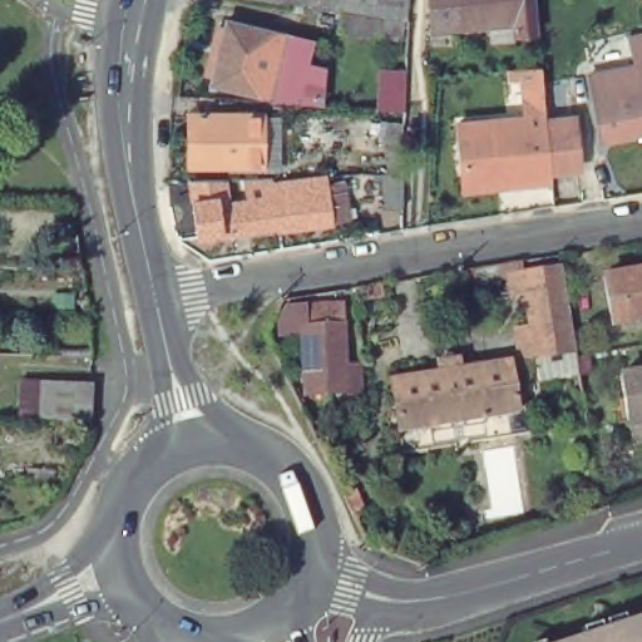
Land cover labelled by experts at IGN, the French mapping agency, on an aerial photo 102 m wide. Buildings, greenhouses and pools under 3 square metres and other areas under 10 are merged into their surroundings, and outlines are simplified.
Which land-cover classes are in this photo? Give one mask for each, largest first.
<instances>
[{"label":"impervious surface","instance_id":"1","mask_svg":"<svg viewBox=\"0 0 642 642\"><path fill-rule=\"evenodd\" d=\"M18 5L30 8L43 18L46 105L55 138L63 145L70 171V181L68 186L58 188V198H70L75 203V213L80 218L88 216L90 223L78 236L65 241L63 253L68 261H90L93 266L95 296L103 301V359L100 364L90 366L93 384V409L78 411L75 419L93 431V451L78 469L75 484L65 499L63 504L53 507L35 527L15 534L0 532V557H3L10 552L33 549L55 537L78 509L88 484L95 482L98 494L93 514L80 539L73 544L68 554L50 557L48 564L40 567V574L30 584L33 589L0 594V642H38L50 634L70 632L75 624L83 627V634L90 642H439L502 624L507 619L537 609L552 607L567 597H579L592 589L607 587L614 582L642 577V498L629 500L632 504L624 507L594 509L587 519L577 524L559 529L552 527L549 532L512 542L494 552H479L466 562L451 564L439 572H429V567L421 559L399 554L391 547H384V552H371L359 539L349 542L341 534L331 489L324 474L306 466L303 451L288 436L233 411L223 399L226 386L218 379H206L198 371V366L191 359V341L196 336H213L221 341L228 336V329L218 318L221 306L243 301V318L256 313L261 301L268 296L281 301L283 293L293 303L344 301L349 361H359L356 351L364 349L361 336L354 339L351 308V288L376 286L382 278H399L401 283L396 291L406 296V308L399 316L396 326L399 341L381 351V359L391 364L404 356H421L429 369H436V364L434 359L424 356L429 351V339L421 331V318L416 308L419 293L414 278L454 268L474 271L499 263H522L524 268H534L559 263L554 248L569 246L582 253H589L597 246H619L632 238H642V203H629V208H617V213H609L599 211V203H592V198L584 191L577 196L579 201L574 203L579 213L552 216L544 203L554 198L552 188L507 191L499 196V213H519L522 223H507L479 231L451 228L399 243H379L376 256H366L364 246H359L356 251L336 246V251H326V258H273L266 263H241L233 268L221 266L218 258L201 256L198 251L188 248L186 256H176L166 243L155 206L150 153V98L163 18L171 10L183 15L193 0H15ZM78 70L88 73L90 98H80L88 113V148H83L73 118V105L78 100L68 93V80ZM130 404H138L140 411L130 421L125 441L128 451H113L110 441ZM211 476L236 479L246 484L251 492H258L263 497L273 514L271 522H263L256 529L286 552L288 572L293 577L271 597H238L228 602L193 599L178 592L166 579L153 549V527L166 502L171 499L176 489H181L191 482ZM429 0H416L411 95L421 105V113H429L426 80L424 53ZM632 48L627 35L589 43L584 48V60L577 65L579 73H592L594 68L599 73H612L634 68V60L629 58ZM313 65L326 70V103H337L339 63L334 58L313 53ZM522 85L512 83L509 88L504 118H522ZM424 171H416L414 193L411 186L404 183L401 213L389 211L381 218V233L429 226L424 208ZM366 193V176H356L354 183V198H349V206L354 208V221L366 213L364 206H359V196ZM176 228L183 236H193L196 226L188 191L178 186L171 191ZM451 356H461L464 361L514 359V334L507 339L482 336L474 329L466 344L449 346ZM527 439H532L527 419L519 414L514 416V421L499 414L469 421H451L441 424L439 429H414L406 436V441L416 444V451H421L459 446L469 459L476 461V476L487 487V474L482 469L484 451L512 446L517 451L519 464L524 512L494 522L483 517V537L534 522L525 449Z\"/></svg>","mask_w":642,"mask_h":642},{"label":"building","instance_id":"2","mask_svg":"<svg viewBox=\"0 0 642 642\"><path fill-rule=\"evenodd\" d=\"M291 3L293 8H321L324 13L318 28H336V18L346 13V30L366 38L376 40L389 38L394 43H406L404 70H384L379 78L376 108L396 115L404 108V100L411 95L416 0H258ZM459 35H487L492 45L527 43H529L539 35L537 0H429L424 53L434 48L439 50H449ZM203 73L211 93H228L271 105H286L324 108L326 103V70L313 65V43L306 38L283 35L243 23H231L228 28L213 30L203 60ZM632 48L629 58L634 60V68L612 73H599L594 68L592 73H584L589 80L582 88V95L594 98V105L587 108L594 125V135L609 148L624 143H642V35H627ZM512 83L522 85V118H454L451 153L456 176L461 181V196H499L507 191L552 188V181L562 186L572 176L584 173L587 161L582 155V135L577 118H549L544 80V73L537 70H507L509 88ZM286 130L281 118H256L251 113H196L186 118V163L191 173H291L288 166L281 161ZM384 133L374 138L369 153H381L386 149L396 152L401 148L404 135V125L399 123H379ZM404 183L389 176H366V193L359 196V206H364L366 213L381 218L389 211L401 213ZM196 226L193 236L201 246L233 243V256L256 253L251 243L258 236L321 233L334 226H341L354 221V208L349 206V198H354V183H329V178H301L286 183L241 181L236 188L228 191L226 183L213 181L191 183L188 191ZM474 276L504 278L507 288L512 308L519 301H527V324L517 326L514 334V346L524 354V359L529 361V371L537 379H572L579 374L574 329L569 306L567 271L559 263L534 268H524L522 263H499L474 271ZM602 291L612 324L622 331L642 334V263L609 268L602 273ZM386 298L382 278L376 286L351 288V308L366 301ZM58 308H73V296L53 291L48 301ZM273 331H278L281 336H301V384L313 401H329L334 396L361 391L364 366L359 361H349L344 301L293 303L283 293L281 301ZM391 424H396L399 431L406 436L414 429H439L441 424L451 421H469L499 414L514 421V416L519 414L524 401L519 394V374L514 359L464 361L461 356H444L436 364V369H429L394 376L391 386ZM619 394L622 421L627 424L632 436L642 439V366H639L619 371ZM15 416L30 419L40 414L43 419L55 421L75 419L78 411L93 409V384L33 381L23 376ZM346 514L356 529H361L364 507L361 494L356 489H349L341 494ZM557 642H642V612L584 632Z\"/></svg>","mask_w":642,"mask_h":642},{"label":"herbaceous vegetation","instance_id":"3","mask_svg":"<svg viewBox=\"0 0 642 642\"><path fill-rule=\"evenodd\" d=\"M0 90L8 93L10 103H18L25 110L28 120L38 130V138L28 143V158L15 176V198H58V188L68 186L70 181V171L63 145L55 138L46 105L43 18L30 8L18 5L15 0H0ZM539 35L529 43L532 48L552 43L557 80H572L579 73L577 65L584 60V48L589 43L627 35H642V0H537ZM324 13L321 8H293L288 18L318 28ZM441 60L451 65L476 63L479 73L431 75L426 80L429 113H421V105L411 95L404 100V108L396 115H401L399 123L404 125V135H414L419 145L431 153V163L424 171V208L431 201H441L444 193L461 196V181L456 176L451 153L454 118H504L509 88L507 70H537L539 63L534 60L527 43L492 45L487 35H459L449 50H439ZM376 40L366 38V43L361 45L356 40L354 45L344 48L339 63L337 103L349 105L351 110H364V115L376 108L379 78L384 70L376 60ZM196 70L186 80H173V95L208 100L211 93L203 73V60L193 58ZM607 163L612 166L619 186H624V193H642V143H624L609 148ZM461 203L466 206L471 218H489L499 213V196H461ZM45 223H50L53 243L65 241L78 236L90 223L88 216L80 218L75 213L53 216L50 211H5L0 216V251L10 256L25 253L33 233ZM349 238L341 226H334L321 233L258 236L251 243L256 253L273 251L278 246ZM183 243L188 248L198 251L201 256L218 258L233 256V243L201 246L193 236H183ZM584 263L599 281L584 288L579 303L569 306L574 329L604 324L607 349H627V356H637L639 366H642V334L622 331L612 324L602 291V273L609 268L642 263V238H632L619 246H597L589 253H582ZM78 278H83L80 261H60V286H73ZM507 288L504 278L474 276L454 281L444 288V293L464 308V316L474 329L482 336L507 339L514 334L517 326L509 318L502 326L492 324L476 301V291H489L494 296ZM58 308L48 301H18L0 293V341L13 331V324H30L33 331L40 334L45 344L58 351L45 359L33 356L30 351L0 356V421L5 416H15L23 376L33 381L93 384L90 366L100 364L103 359V324L90 326V341L70 344L55 334ZM281 301L268 296L261 301L256 313L243 318L241 326L228 329V336L221 341L213 336H196L191 341V359L198 366V371L206 379H218L226 386L256 401L261 409L271 414L281 411L276 401L278 389L268 379L273 371L281 369L273 331ZM231 344H236L251 359V364L266 374V379H253L246 369H241L226 354ZM399 341L396 326L394 321L379 324L369 331H361V336L364 349H369L371 356L379 359V381L391 386L394 376L389 369L391 364L381 359V351ZM293 414L298 416L303 434L313 441L318 459L326 464L331 456L329 444L316 439L311 419L303 414V406L293 391V379L283 376L281 389ZM68 456L53 454L48 449V441L38 434L15 431L0 439V532L15 534L35 527L53 507L63 504L65 499L48 484V479L55 476V471ZM525 449L534 522H544L552 527V517L537 507L547 497L549 479L557 476L547 466V454L552 451V446H537L532 439H527ZM421 474H401L399 484H391L381 474L366 471V492L361 494L364 507H371V502H376L386 512V517H394L401 509H406L409 514L419 512L434 494L449 492L461 479V464L469 459L459 446L421 451ZM183 497L196 507V517L201 519L186 524L183 509L171 499L166 502L153 527V549L166 579L178 592L193 599L228 602L238 597L231 589L228 552L241 534L256 529L263 522H271L273 514L263 497L258 492H251L246 484L236 479L211 476L191 482L181 489ZM248 494L258 504V512L248 509V522L243 524H226L221 512L238 509L241 499ZM639 487H642V479H634V482H629V484H622V487H617V489H609L607 484H602V482H599V489H597L599 494H602V497H619V494H624V492H632V489H639ZM40 574V567L28 562H5L3 557H0V594L33 589L30 584ZM542 619L549 624L584 619V632L642 612V597L617 602L607 587L592 589L579 597H567L552 607L537 609ZM38 642H90L83 634V627L75 624L70 632L50 634ZM502 624L439 642H497Z\"/></svg>","mask_w":642,"mask_h":642},{"label":"deciduous trees","instance_id":"4","mask_svg":"<svg viewBox=\"0 0 642 642\"><path fill-rule=\"evenodd\" d=\"M221 3L231 10L251 8L288 18L293 8L291 3L258 0H193L183 15L181 40L171 55L173 80H186L196 70L193 58L203 60L213 30V10L221 8ZM356 40L361 45L366 43V38L346 30V13L336 18V28L334 35L313 43V53L334 58L339 63L344 48L354 45ZM376 60L384 70H404L406 43H394L389 38L376 40ZM534 60L539 63L537 70L544 73V80H557L552 43L532 48L529 43H527ZM426 80L431 75L479 73L476 63L451 65L441 60L439 50L434 48L424 53ZM38 138V130L28 120L25 110L18 103H10L8 93L0 90V203L5 198H15V176L28 158V143ZM339 115H346L354 120L379 123H399L401 115H396L376 108L364 115V110H351L349 105L337 103H326L324 108L286 105L281 110V118L286 130L303 118L334 120ZM171 166L186 163V138L173 135L166 145ZM431 163V153L419 145L414 135H404L401 148L396 152L391 155L389 176L404 183L411 186L414 193L416 171H424ZM429 226L471 218L466 206L461 203V196L444 193L441 201H431L424 208ZM349 238L371 231L381 233V218L366 213L354 221L341 226ZM65 241L53 243L50 223H45L33 233L25 253L10 256L0 251V283L53 291L73 296V308H58L55 334L70 344L90 341V326L103 324V301L95 296L93 266L90 261H80L83 278H78L73 286H60V261H68L63 253ZM559 263L567 271L569 306L579 303L584 288L599 281L584 263L582 253L569 246L554 248ZM474 276V271L454 268L414 278L419 293L416 308L421 318V331L429 339V351L424 356L434 359L436 364L444 356H451L449 346L466 344L474 329L464 316V308L444 293V288L454 281ZM386 298L366 301L351 308L354 339L361 336V331H369L379 324L394 321L396 326L399 316L406 308V296L396 291L401 283L399 278H382ZM476 301L492 324L502 326L509 318L517 326L527 324V301H519L512 308L507 288L494 296L489 291H476ZM218 318L228 329L241 326L243 318V301L221 306ZM30 351L33 356L45 359L58 351L45 344L40 334L33 331L30 324H13V331L0 341V356ZM579 374L572 379H537L529 371V361L524 359V354L514 346V359L519 374V394L524 401L519 414L527 419L532 439L537 446H552V451L547 454V466L557 476L549 479L547 497L537 507L552 517V527L559 529L577 524L587 519L594 509L599 494L597 489H599V482H602V484H607L609 489H617V487H622V484H629V482H634V479H642V439L632 436L627 424L622 421L619 394V371L639 366L637 356H627V349H607L604 324L574 329ZM281 369L273 371L268 379L278 389H281L283 376L293 379V391L303 406V414L311 419L316 439L329 444L331 456L326 464L341 494L349 489H356L361 494L366 492V471L381 474L391 484H399L401 474H421V451H416V444L406 441V436L399 431L396 424H391V386L379 381V359L371 356L369 349H364L356 351L359 361L364 366L361 391L334 396L329 401H313L301 384V336H281L278 331H273ZM389 369L394 376L429 369L421 356H404L391 364ZM15 431L38 434L48 441V449L53 454L68 456L55 471V476L48 479V484L65 499L75 484L78 469L93 451V431L75 419L55 421L43 419L40 414L30 419L15 416H5L0 421V439ZM476 461L469 459L461 464V479L449 492L434 494L419 512L409 514L406 509H401L394 517H386V512L376 502H371V507H364L361 529H356L359 539L371 552H384V547H391L399 554L421 559L429 567V572H439L451 564V547L483 537V517L489 507L487 487L476 476ZM183 509L186 524L201 519L196 517V507L183 497L181 489H176L171 499ZM248 509L258 512V504L248 494L241 499L238 509L221 512L226 524H243L248 522ZM231 589L238 597H271L293 577L288 572L286 552L256 529L241 534L228 552ZM617 602L642 597V577L614 582L607 587ZM584 619L549 624L542 619L537 609L507 619L502 624L497 642H557L584 632Z\"/></svg>","mask_w":642,"mask_h":642},{"label":"pervious surface","instance_id":"5","mask_svg":"<svg viewBox=\"0 0 642 642\"><path fill-rule=\"evenodd\" d=\"M231 23H243L283 35L306 38L313 43L334 35L336 28H318L288 18L251 8L231 10L221 3V8L213 10V30L228 28ZM183 15L171 10L163 18L150 98V153L155 206L166 243L176 256H186L188 248L183 243V236L176 228L171 191L178 186L188 191L191 183L213 181L226 183L228 191L236 188L241 181L286 183L301 178H329V183H354L356 176H389L391 155L396 152L386 149L381 153H369L374 138L384 133L379 123L354 120L346 115H339L334 120L303 118L286 130L281 161L288 166L291 173H191L186 163L171 166L166 145L173 135L186 138V118L196 113H251L256 118H281V110L286 105H271L228 93H211L208 100L173 95V80L171 55L181 40ZM68 93L78 100L73 105V118L83 148H88V113L80 98H90L88 73L78 70L68 80ZM589 80L584 73H579L572 80H544L549 118H577L582 135V155L587 161L584 173L572 176L562 186L552 181V188L554 198L544 203L552 216L579 213L574 203L579 201L577 196L584 191L592 198V203H599V211L609 213H617V208H629V203H642V193H624V186H619L612 166L607 163L609 148L594 135V125L587 108L594 105V98L582 95V88ZM507 223H522L519 213H499L489 218H471L429 226L381 233L371 231L349 238L278 246L273 251L256 253L233 256L218 258L221 266L233 268L241 263H266L273 258H326V251H336V246L356 251L359 246H364L366 256H376L379 243H399L451 228L479 231ZM0 293L18 301H48L53 291L0 283ZM226 354L241 369H246L253 379H266V374L251 364V359L236 344H231ZM223 399L233 411L288 436L303 451L306 466L324 474L331 489L341 534L349 542L359 539L356 529L346 514L341 494L326 464L318 459L313 441L303 434L298 416L293 414L281 389H278L276 401L281 411L271 414L261 409L256 401L226 386ZM140 411L138 404H130L110 441L113 451H128L125 441L130 421ZM98 494L95 482L88 484L78 509L55 537L33 549L10 552L3 557L5 562H28L40 567L48 564L50 557L68 554L73 544L80 539L93 514Z\"/></svg>","mask_w":642,"mask_h":642},{"label":"brushwood","instance_id":"6","mask_svg":"<svg viewBox=\"0 0 642 642\"><path fill-rule=\"evenodd\" d=\"M5 211H50L53 216L75 213V203L70 198H5L0 203V216ZM642 498V487H639V489H632V492H624V494H619V497H602V494H599L594 509L624 507L632 504L629 500ZM552 527L544 522H534L483 537L451 547V564L466 562L479 552H494L512 542L549 532Z\"/></svg>","mask_w":642,"mask_h":642},{"label":"swimming pool","instance_id":"7","mask_svg":"<svg viewBox=\"0 0 642 642\"><path fill-rule=\"evenodd\" d=\"M482 469L487 474V487L489 507L483 517L494 522L524 512L519 464L517 451L512 446L484 451Z\"/></svg>","mask_w":642,"mask_h":642}]
</instances>
